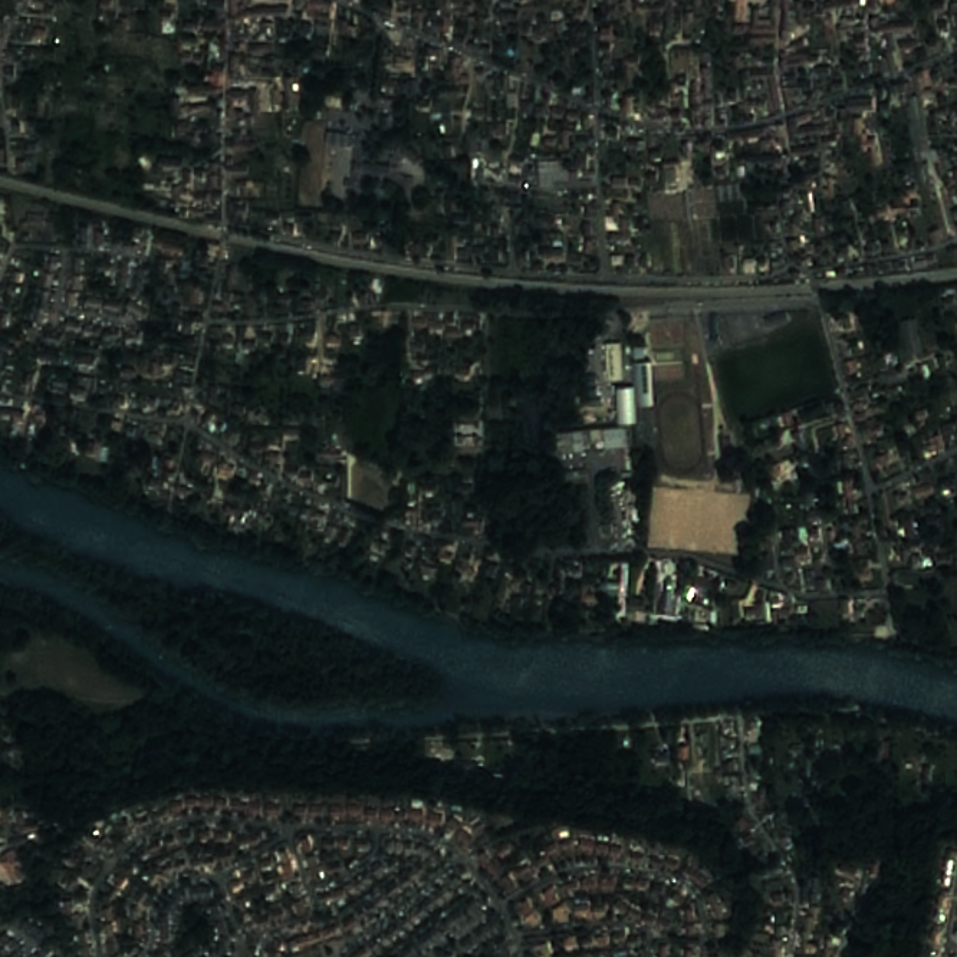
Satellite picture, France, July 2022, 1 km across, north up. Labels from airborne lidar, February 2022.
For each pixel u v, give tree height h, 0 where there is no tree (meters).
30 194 0
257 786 9
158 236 8
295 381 0
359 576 17
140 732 15
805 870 8
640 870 0
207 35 8
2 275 0
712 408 0
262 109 0
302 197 0
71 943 0
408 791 13
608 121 8
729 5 8
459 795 15
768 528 8
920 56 9
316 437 16
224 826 10
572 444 0
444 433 9
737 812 9
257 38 0
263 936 0
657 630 13
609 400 0
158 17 0
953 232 0
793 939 0
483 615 0
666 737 17
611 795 24
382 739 16
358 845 7
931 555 6
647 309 0
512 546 26
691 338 0
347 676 17
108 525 0
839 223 8
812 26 0
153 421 0
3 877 0
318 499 0
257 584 0
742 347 0
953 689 0
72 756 20
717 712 8
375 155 19
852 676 0
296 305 10
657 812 26
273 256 16
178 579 0
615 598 11
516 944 0
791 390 0
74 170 11
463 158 8
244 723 18
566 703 0
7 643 18
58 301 0
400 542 6
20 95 8
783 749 0
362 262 0
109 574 19
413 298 0
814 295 0
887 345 17
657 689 0
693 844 17
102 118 0
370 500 0
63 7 0
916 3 6
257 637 17
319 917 11
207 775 14
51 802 18
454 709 0
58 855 8
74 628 10
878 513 6
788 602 0
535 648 0
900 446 14
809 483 25
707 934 0
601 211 0
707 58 0
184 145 8
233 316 9
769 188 6
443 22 0
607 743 13
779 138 0
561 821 11
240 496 15
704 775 0
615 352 0
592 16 0
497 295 12
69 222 7
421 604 16
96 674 0
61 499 0
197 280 18
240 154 0
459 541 0
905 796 20
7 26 0
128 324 0
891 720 14
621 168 6
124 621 0
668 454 0
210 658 17
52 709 24
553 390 27
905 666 0
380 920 8
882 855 23
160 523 19
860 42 0
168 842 7
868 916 32
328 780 17
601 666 0
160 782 16
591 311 18
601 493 12
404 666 10
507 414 9
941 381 10
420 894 10
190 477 13
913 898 16
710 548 0
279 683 17
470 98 0
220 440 0
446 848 0
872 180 10
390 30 0
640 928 0
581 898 7
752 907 18
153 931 0
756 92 0
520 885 6
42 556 12
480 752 0
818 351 0
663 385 0
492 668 0
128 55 0
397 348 7
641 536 15
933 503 10
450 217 8
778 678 0
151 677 17
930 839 17
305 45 11
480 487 12
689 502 0
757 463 6
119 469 8
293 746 13
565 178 0
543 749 7
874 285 0
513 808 14
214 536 16
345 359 12
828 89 0
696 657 0
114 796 20
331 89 11
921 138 0
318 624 11
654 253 0
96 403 15
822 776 21
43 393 5
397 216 14
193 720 25
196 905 6
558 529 13
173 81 13
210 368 8
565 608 15
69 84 0
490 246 8
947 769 0
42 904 6
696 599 0
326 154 0
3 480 0
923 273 0
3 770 10
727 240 0
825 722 17
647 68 10
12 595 20
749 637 13
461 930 0
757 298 0
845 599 0
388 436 0
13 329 6
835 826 22
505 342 0
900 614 14
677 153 0
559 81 13
